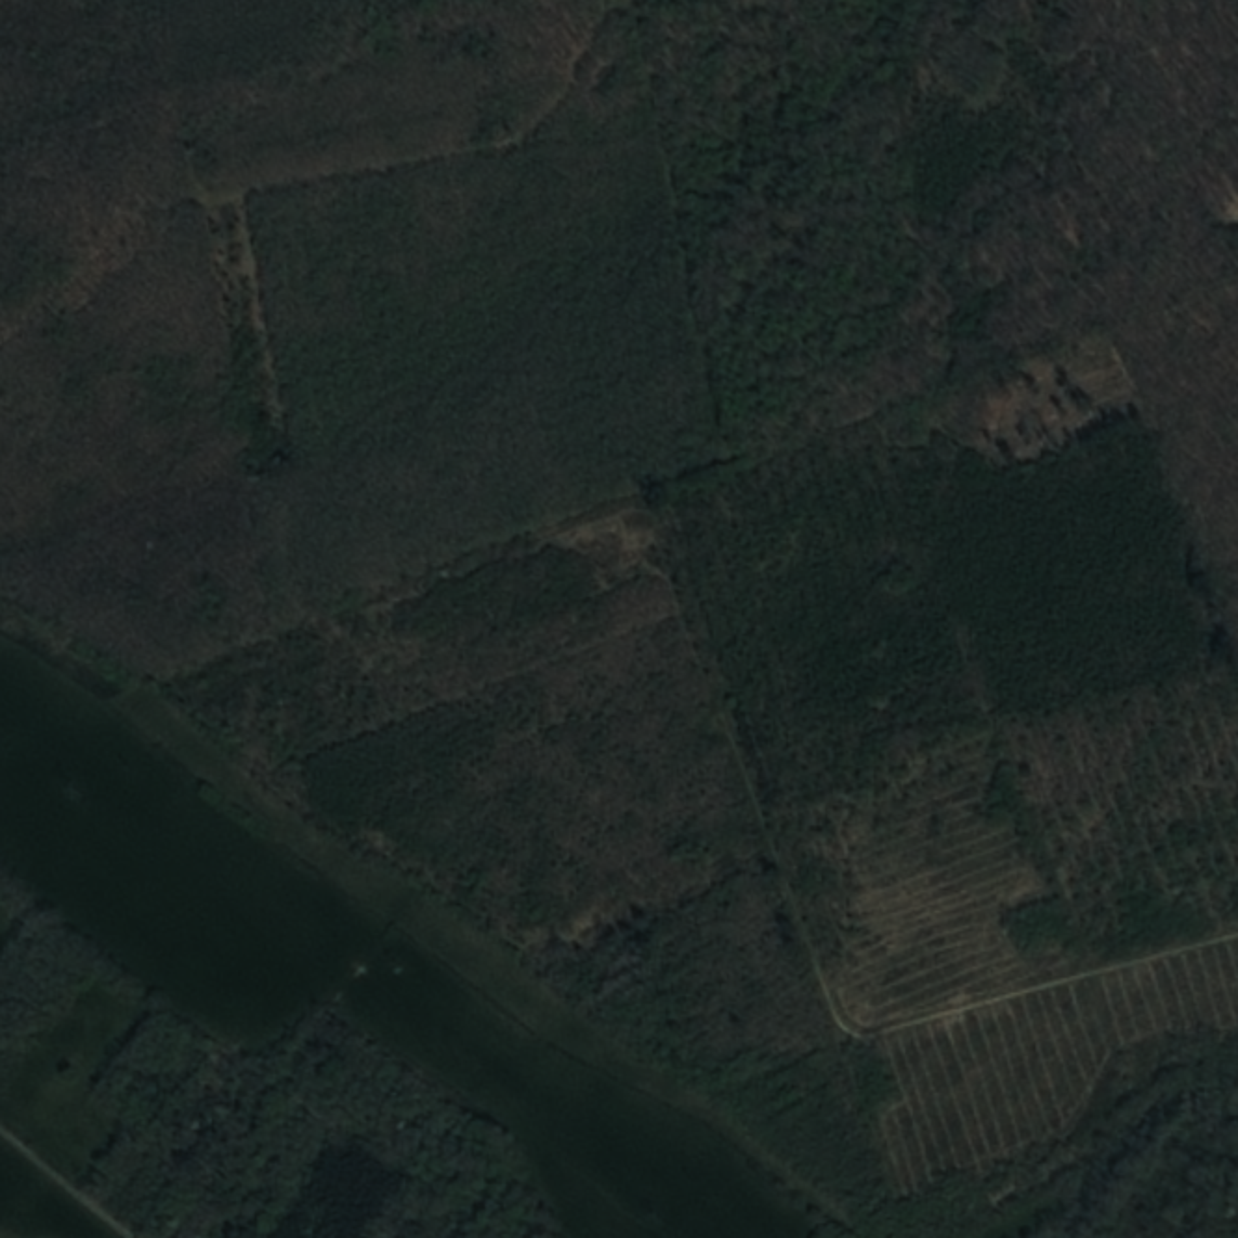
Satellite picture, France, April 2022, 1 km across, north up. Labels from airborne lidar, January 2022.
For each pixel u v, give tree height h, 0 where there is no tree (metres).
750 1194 0
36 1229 0
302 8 16
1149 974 0
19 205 16
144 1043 24
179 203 16
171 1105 27
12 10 19
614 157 22
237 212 0
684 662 7
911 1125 0
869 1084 13
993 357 19
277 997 0
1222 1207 26
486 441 20
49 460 20
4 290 18
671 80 24
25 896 15
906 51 21
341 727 6
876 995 0
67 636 19
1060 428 0
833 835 8
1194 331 19
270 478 20
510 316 18
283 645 9
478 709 7
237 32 16
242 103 16
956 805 0
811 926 6
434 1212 23
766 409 16
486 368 24
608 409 19
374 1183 15
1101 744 7
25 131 11
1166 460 14
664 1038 15
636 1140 0
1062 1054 0
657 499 24
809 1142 8
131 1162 24
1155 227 24
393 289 18
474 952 0
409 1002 0
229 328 9
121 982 21
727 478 8
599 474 21
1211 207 21
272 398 0
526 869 7
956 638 6
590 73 18
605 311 19
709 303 23
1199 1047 15
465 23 20
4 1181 0
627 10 0
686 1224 0
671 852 10
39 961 26
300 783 13
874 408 19
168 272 21
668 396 21
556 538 0
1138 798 6
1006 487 9
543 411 18
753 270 25
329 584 17
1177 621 9
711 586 8
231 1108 18
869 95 22
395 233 18
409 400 22
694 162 22
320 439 20
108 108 19
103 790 0
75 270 18
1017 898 0
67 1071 13
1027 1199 18
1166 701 8
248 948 0
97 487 19
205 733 14
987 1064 0
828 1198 15
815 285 25
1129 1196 28
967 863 0
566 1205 0
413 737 7
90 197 21
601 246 19
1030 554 10
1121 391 0
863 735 7
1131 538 9
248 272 0
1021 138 7
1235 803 6
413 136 13
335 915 0
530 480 18
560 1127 0
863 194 24
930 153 9
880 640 7
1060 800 7
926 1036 0
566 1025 0
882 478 13
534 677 7
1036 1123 0
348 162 14
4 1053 21
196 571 21
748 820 6
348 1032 17
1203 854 9
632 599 8
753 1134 11
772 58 23
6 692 0
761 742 10
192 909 0
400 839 8
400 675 7
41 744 0
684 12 23
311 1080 23
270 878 0
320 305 21
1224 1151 22
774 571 7
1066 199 26
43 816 0
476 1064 0
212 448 20
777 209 23
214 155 14
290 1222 13
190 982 0
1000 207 22
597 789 8
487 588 6
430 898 9
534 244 19
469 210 20
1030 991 0
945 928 0
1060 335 24
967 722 10
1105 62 11
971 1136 0
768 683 8
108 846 0
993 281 20
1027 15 21
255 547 21
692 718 7
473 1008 0
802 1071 6
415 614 10
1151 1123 21
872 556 7
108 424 19
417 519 17
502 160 17
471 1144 17
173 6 15
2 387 20
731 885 8
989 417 17
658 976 13
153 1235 23
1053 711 6
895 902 0
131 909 0
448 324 17
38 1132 0
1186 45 25
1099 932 9
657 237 24
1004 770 10
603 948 8
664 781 8
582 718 7
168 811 0
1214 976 0
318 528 19
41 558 24
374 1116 19
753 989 9
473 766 6
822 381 23
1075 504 8
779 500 7
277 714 9
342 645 6
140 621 22
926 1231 20
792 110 23
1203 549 19
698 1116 0
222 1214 20
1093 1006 0
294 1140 20
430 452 18
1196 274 23
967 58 24
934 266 17
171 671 18
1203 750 6
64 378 16
